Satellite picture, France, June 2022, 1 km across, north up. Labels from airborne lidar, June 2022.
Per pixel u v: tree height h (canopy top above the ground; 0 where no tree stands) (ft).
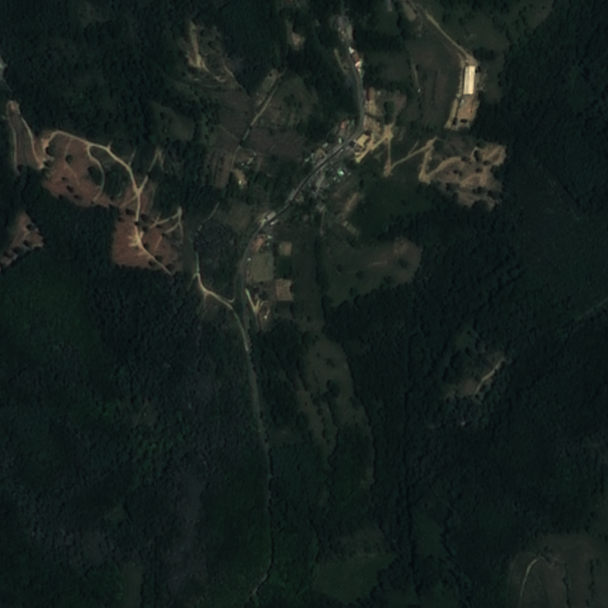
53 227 60
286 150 0
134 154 0
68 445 77
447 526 77
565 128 41
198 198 56
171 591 21
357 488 66
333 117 18
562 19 59
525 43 37
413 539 87
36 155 0
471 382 0
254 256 0
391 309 76
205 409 31
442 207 43
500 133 72
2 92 49
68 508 54
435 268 47
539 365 31
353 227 0
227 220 0
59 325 41
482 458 113
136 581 0
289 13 25
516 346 56
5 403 28
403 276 0
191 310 34
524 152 94
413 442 83
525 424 45
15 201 107
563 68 110
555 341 55
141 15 38
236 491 64
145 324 23
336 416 48
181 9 40
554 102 91
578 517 31
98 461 61
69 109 35
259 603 73
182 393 30
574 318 47
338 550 50
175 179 28
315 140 36
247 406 43
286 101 21
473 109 0
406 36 54
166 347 38
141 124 21
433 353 67
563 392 62
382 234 22
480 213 100
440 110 0
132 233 0
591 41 75
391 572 87
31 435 43
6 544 62
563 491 66
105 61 50
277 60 37
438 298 51
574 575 0
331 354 0
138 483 46
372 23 44
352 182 0
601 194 73
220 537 52
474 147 0
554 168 48
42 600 55
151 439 32
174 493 62
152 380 53
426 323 97
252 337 42
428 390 75
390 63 0
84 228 51
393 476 99
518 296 74
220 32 22
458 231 60
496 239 94
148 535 54
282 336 51
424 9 0
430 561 73
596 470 41
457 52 0
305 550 34
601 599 0
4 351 76
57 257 79
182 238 0
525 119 82
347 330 99
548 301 54
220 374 36
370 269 0
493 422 33
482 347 51
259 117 0
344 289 0
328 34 62
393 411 42
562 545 0
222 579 60
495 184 0
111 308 26
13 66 38
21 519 40
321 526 51
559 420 52
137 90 55
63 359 53
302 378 36
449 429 61
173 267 30
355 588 0
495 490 68
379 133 0
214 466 51
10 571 50
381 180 0
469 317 52
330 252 0
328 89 44
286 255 0
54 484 58
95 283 67
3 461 63
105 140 0
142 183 0
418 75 0
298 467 52
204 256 22
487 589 60
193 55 0
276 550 56
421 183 23
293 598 64
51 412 60
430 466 56
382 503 55
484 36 0
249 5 52
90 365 43
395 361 57
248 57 31
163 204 31
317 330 0
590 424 56
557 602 0
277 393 45
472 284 43
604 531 0
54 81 27
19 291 54
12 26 44
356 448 43
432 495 65
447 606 0
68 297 34
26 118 51
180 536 37
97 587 68
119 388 44
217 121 33
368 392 51
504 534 42
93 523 58
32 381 75
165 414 31
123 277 24
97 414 35
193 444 26
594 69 73
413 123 39
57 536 58
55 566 42
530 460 51
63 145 0
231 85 0
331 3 23
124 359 28
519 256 51
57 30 43
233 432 71
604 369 58
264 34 52
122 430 42
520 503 66
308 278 0
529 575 0
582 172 62
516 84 37
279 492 49
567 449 59
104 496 79
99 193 0
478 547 56
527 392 59
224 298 0
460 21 24
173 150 30
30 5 35
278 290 0
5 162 70
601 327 74
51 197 45
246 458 54
